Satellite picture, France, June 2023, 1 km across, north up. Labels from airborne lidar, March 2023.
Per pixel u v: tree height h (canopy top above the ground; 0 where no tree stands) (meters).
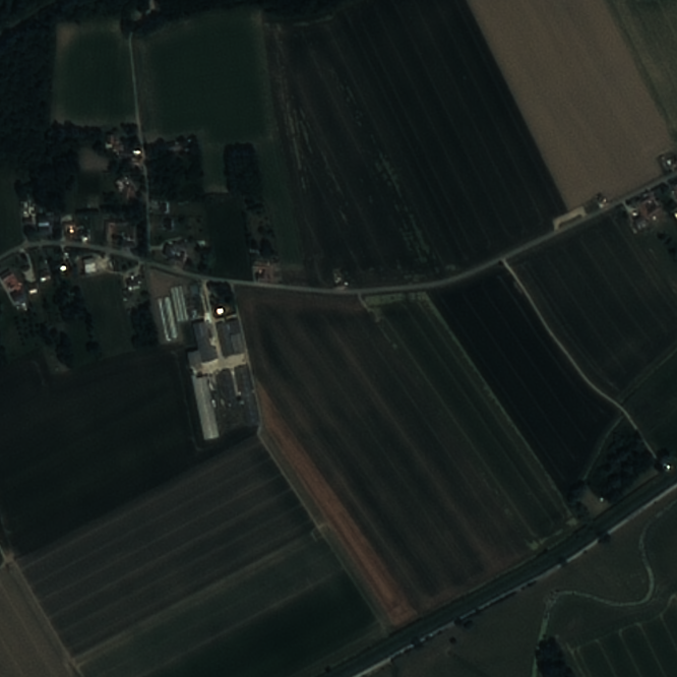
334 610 0
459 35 0
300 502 0
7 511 0
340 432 0
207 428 0
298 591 0
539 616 0
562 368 0
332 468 0
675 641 0
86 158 0
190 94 0
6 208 0
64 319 14
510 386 0
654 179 0
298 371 0
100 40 0
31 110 21
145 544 0
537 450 0
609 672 0
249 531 0
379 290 0
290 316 0
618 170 0
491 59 0
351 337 0
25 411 0
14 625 0
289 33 0
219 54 0
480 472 0
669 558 0
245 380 0
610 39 0
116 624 0
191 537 0
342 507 0
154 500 0
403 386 0
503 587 0
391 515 0
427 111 0
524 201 0
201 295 0
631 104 0
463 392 0
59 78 0
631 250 0
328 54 0
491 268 0
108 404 0
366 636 0
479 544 0
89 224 0
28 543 0
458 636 0
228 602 0
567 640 0
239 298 0
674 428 0
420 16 0
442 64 0
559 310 0
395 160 0
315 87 0
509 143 0
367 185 0
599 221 0
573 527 0
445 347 0
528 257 0
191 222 0
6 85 21
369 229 0
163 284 0
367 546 0
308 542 0
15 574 0
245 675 0
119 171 7
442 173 0
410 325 0
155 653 0
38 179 26
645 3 0
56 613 0
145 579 0
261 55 0
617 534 0
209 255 14
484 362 0
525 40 0
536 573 0
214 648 0
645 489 0
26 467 0
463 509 0
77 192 0
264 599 0
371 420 0
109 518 0
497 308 0
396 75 0
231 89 0
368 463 0
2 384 0
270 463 0
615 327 0
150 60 0
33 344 0
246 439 0
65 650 0
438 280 0
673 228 0
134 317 12
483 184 0
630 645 0
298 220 0
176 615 0
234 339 0
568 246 0
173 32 0
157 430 0
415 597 0
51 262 6
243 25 0
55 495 0
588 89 0
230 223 0
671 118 0
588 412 0
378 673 0
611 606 0
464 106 0
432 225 0
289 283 0
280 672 0
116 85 0
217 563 0
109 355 0
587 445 0
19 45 20
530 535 0
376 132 0
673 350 0
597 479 6
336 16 0
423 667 0
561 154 0
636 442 7
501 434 0
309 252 0
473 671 0
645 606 0
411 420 0
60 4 18
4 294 0
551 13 0
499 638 0
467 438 0
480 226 0
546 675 30
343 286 0
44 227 0
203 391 0
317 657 0
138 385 0
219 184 0
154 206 0
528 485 0
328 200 0
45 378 0
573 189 0
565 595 0
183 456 0
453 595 0
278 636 0
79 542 0
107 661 0
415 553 0
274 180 0
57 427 0
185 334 0
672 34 0
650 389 0
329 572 0
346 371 0
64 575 0
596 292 0
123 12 17
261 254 7
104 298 0
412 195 0
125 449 0
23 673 0
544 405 0
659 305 0
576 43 0
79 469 0
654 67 0
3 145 23
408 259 0
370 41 0
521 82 0
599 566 0
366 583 0
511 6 0
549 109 0
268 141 0
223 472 0
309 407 0
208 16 0
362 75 0
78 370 0
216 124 0
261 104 0
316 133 0
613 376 0
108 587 0
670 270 0
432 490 0
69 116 0
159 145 10
